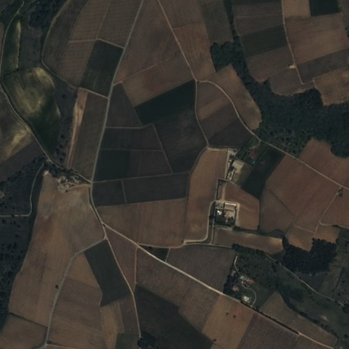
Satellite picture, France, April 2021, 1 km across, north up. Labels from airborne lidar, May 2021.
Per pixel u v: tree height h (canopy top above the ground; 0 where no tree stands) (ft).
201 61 0
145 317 0
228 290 34
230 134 0
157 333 0
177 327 0
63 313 0
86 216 0
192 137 0
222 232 0
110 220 0
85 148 0
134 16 0
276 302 0
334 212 0
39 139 0
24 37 0
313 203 0
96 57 0
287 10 0
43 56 0
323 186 0
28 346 0
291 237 0
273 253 0
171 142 0
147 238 0
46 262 0
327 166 0
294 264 25
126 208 0
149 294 0
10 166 0
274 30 0
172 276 0
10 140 0
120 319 0
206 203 0
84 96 0
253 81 48
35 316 0
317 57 0
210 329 0
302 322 0
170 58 0
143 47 0
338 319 0
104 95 0
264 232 0
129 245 0
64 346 0
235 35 34
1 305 33
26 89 0
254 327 0
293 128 35
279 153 0
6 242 0
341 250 0
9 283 23
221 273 0
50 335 0
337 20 0
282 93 0
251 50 0
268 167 0
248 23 0
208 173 0
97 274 0
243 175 0
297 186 0
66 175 0
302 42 0
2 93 0
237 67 48
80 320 0
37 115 0
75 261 0
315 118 53
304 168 0
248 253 22
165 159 0
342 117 33
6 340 0
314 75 0
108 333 0
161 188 0
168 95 0
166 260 0
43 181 0
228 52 19
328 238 0
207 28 0
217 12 0
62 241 0
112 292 0
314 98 40
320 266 24
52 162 0
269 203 0
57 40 0
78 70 0
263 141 28
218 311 0
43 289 0
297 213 0
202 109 0
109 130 0
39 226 0
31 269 0
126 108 0
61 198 0
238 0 0
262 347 0
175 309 0
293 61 0
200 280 0
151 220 0
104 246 0
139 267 0
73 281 0
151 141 0
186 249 0
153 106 0
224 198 0
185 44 0
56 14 25
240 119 0
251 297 0
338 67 0
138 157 0
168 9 0
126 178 0
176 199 0
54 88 0
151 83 0
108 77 0
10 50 0
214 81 0
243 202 0
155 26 0
